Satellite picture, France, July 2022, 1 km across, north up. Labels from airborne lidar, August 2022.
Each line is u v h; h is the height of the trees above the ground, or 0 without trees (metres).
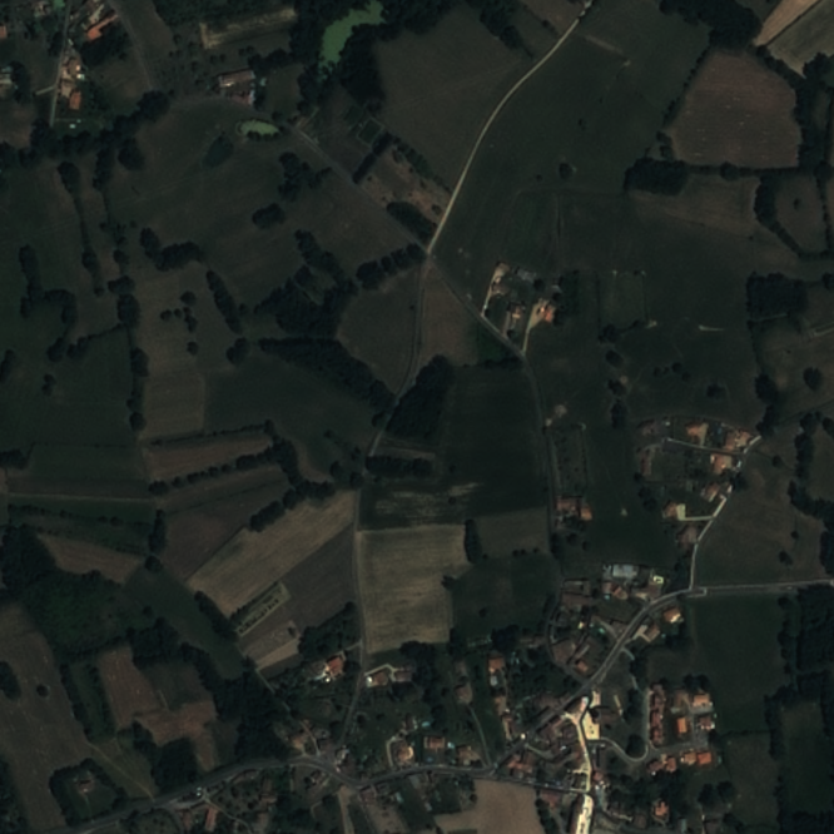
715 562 0
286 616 0
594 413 0
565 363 0
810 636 14
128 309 18
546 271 0
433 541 0
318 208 0
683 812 15
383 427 11
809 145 9
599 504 0
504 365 9
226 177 0
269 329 0
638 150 0
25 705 0
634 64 0
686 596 8
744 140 0
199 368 0
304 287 25
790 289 21
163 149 0
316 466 0
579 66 0
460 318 0
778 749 16
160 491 16
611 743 0
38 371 0
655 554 0
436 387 16
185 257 22
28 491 0
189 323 13
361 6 20
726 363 0
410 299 0
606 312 0
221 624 22
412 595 0
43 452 0
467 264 0
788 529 0
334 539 0
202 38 0
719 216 0
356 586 0
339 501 0
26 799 0
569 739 0
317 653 13
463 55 0
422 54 0
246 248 0
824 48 0
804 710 0
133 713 0
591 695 0
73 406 0
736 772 0
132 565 0
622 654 0
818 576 0
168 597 0
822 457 0
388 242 0
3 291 0
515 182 0
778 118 0
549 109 0
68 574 6
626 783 15
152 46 0
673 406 0
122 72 0
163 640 22
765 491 0
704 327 0
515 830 0
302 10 22
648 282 0
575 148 0
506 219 0
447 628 0
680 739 0
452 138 0
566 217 0
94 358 0
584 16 7
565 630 8
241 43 0
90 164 0
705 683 23
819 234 0
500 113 0
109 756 0
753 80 0
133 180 0
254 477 0
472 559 17
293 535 0
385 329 0
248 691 20
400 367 0
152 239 22
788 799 12
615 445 0
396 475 13
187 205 0
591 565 0
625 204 0
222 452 0
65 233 0
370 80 14
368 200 0
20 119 0
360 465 8
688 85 8
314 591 0
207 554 0
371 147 0
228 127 0
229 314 18
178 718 0
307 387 0
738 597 0
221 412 0
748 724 0
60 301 16
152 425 0
